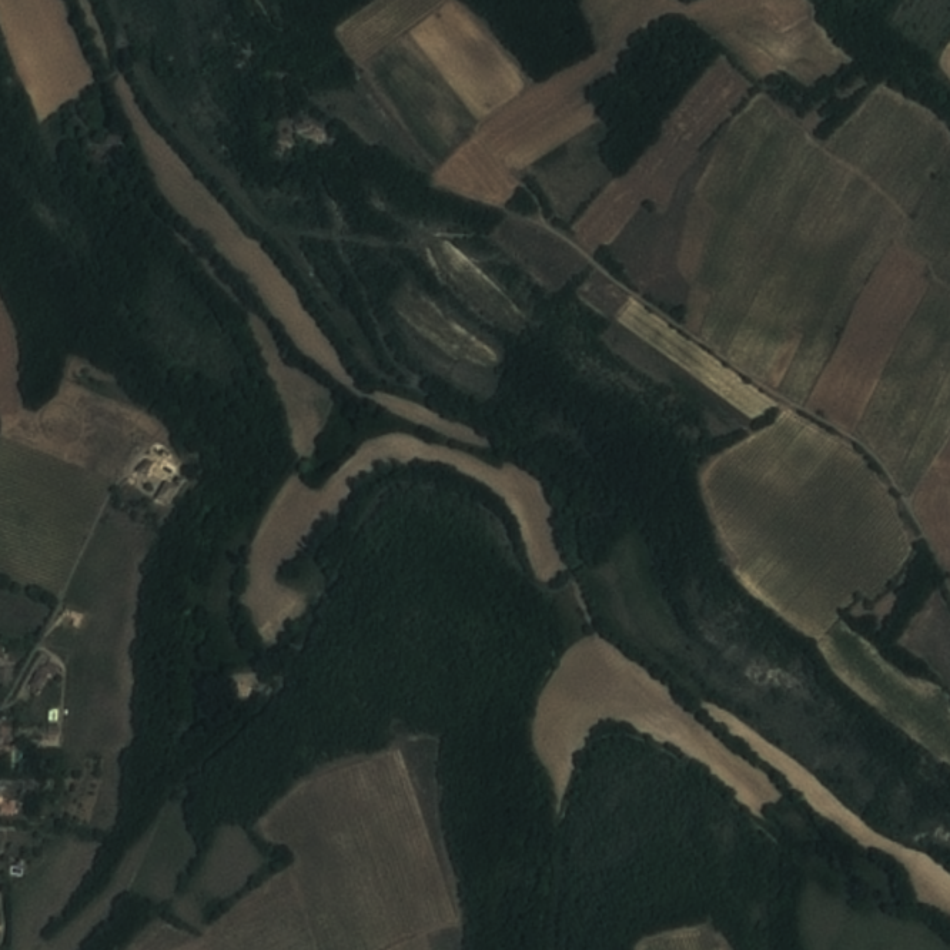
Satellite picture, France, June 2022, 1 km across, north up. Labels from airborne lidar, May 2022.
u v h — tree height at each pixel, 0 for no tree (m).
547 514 0
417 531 10
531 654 10
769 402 0
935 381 0
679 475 16
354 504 20
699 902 9
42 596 15
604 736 8
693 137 0
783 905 12
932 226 0
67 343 19
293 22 11
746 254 0
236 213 8
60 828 9
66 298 19
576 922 11
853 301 0
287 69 14
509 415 14
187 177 0
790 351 0
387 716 10
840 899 0
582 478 13
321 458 11
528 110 0
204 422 18
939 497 0
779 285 0
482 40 0
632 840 5
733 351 0
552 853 16
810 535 0
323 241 7
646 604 0
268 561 0
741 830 7
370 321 15
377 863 0
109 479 0
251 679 0
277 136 9
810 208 0
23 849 8
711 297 0
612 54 0
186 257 20
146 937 0
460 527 7
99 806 0
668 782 8
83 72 0
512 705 19
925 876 0
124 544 0
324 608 18
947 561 0
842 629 0
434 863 0
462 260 0
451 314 0
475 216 11
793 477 0
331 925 0
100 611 0
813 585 0
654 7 0
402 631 8
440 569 13
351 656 9
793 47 0
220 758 18
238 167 10
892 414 0
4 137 10
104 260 14
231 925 0
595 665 0
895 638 13
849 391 0
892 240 0
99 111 0
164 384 22
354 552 11
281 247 9
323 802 0
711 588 7
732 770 0
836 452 0
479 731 13
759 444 0
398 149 0
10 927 8
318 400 0
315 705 11
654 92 15
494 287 0
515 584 18
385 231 11
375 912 0
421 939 0
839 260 0
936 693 0
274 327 19
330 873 0
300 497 0
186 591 20
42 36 0
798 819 0
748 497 0
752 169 0
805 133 0
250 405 17
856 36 14
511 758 24
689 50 12
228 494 21
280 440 19
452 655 11
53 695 0
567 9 17
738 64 8
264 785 13
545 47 15
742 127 0
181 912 0
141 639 12
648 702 0
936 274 0
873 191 0
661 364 0
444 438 7
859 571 0
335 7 8
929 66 12
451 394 18
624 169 15
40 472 0
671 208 0
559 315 6
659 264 0
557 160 0
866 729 7
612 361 8
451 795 12
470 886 14
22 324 8
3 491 0
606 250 10
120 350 17
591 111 0
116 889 0
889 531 0
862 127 0
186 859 0
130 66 14
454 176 0
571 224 7
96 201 17
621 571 0
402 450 0
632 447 18
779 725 0
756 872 13
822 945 0
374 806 0
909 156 0
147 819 17
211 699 37
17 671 6
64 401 0
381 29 0
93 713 0
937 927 17
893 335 0
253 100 18
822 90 13
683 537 9
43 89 0
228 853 0
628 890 11
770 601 0
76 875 0
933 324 0
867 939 0
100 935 18
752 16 0
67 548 0
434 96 0
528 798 16
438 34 0
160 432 0
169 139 7
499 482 0
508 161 0
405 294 0
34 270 13
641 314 0
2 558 0
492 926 18
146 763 18
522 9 12
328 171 11
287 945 0
